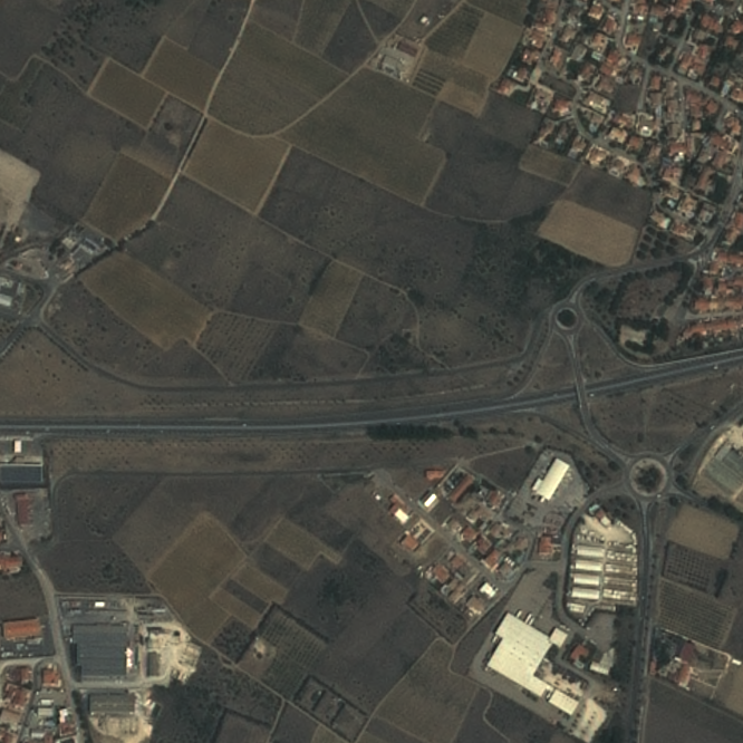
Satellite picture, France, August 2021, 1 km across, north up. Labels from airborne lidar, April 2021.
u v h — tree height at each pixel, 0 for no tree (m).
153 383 0
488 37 0
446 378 0
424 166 0
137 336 0
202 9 0
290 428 0
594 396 0
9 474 0
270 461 0
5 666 0
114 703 0
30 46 0
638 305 0
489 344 0
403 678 0
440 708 0
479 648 0
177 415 0
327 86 0
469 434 13
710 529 0
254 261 0
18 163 0
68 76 0
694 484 0
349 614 0
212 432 0
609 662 0
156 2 6
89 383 0
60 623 0
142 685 0
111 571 7
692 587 6
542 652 0
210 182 0
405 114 0
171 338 0
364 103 0
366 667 0
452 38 0
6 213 0
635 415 0
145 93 0
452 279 0
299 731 0
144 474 0
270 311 0
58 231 0
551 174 0
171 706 0
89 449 0
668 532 0
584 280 0
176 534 0
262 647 0
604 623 0
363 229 0
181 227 0
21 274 0
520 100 0
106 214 0
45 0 0
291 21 0
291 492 0
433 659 0
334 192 0
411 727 0
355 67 0
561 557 0
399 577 0
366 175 0
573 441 0
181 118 0
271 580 0
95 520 0
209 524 0
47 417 0
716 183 10
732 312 0
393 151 0
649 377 0
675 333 0
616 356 0
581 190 0
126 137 0
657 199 0
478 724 0
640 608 0
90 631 0
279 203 0
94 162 0
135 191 0
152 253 0
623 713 0
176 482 0
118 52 0
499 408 0
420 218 0
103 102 0
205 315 0
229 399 0
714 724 0
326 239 0
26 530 0
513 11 0
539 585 0
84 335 0
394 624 0
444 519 0
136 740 0
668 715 0
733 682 0
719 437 0
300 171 0
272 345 0
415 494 0
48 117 0
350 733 0
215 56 0
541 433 0
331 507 0
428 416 0
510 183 0
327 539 0
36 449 0
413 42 0
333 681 0
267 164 0
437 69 0
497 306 0
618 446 0
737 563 0
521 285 0
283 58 0
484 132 0
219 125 0
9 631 0
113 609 0
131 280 0
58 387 0
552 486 0
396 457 0
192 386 0
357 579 0
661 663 6
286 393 0
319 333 0
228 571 0
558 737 0
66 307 0
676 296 8
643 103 0
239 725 0
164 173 0
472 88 0
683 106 0
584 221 0
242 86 0
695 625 0
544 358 0
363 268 0
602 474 8
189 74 0
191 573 0
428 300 0
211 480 0
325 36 0
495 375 0
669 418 0
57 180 0
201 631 0
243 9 0
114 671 0
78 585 0
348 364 0
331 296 0
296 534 0
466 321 0
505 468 0
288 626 0
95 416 0
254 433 0
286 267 0
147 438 0
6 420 0
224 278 0
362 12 0
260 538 0
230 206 0
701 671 0
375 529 0
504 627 0
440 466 0
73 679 0
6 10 0
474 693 0
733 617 0
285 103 0
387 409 0
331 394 0
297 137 0
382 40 0
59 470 0
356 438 0
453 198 0
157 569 0
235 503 0
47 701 0
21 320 0
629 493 0
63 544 0
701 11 11
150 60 0
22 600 0
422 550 0
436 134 0
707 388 0
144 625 0
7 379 0
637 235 0
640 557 0
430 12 0
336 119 0
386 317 0
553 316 0
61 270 0
